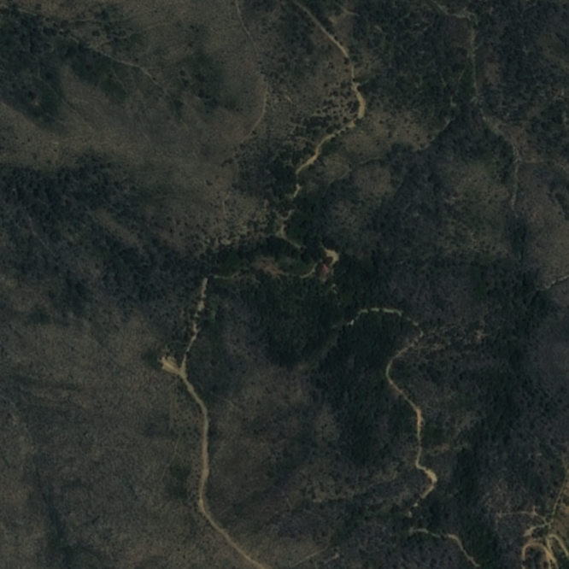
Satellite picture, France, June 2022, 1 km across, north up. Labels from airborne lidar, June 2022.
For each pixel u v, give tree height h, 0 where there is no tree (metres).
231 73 0
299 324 6
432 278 19
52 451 0
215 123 0
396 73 11
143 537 0
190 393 9
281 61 12
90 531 0
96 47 0
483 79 0
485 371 13
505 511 8
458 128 10
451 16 9
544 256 0
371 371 14
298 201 16
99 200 11
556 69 12
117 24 0
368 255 14
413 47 14
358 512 14
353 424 11
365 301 9
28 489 0
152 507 0
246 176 11
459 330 11
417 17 11
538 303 22
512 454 11
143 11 0
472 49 0
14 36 14
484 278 14
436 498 20
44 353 0
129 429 0
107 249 8
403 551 9
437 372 15
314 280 8
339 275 12
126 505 0
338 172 0
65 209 13
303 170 0
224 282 0
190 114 0
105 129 0
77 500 0
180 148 0
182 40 0
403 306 13
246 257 14
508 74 10
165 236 0
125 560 0
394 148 11
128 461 0
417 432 7
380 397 8
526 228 8
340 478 10
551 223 0
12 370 0
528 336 12
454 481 6
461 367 11
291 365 14
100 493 0
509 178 19
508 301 14
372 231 9
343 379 13
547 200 0
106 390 0
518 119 11
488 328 11
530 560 9
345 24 0
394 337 10
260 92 0
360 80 12
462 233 10
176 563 0
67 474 0
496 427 15
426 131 0
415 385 15
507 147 11
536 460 15
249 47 0
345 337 12
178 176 0
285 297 6
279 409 9
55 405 0
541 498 7
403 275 12
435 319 6
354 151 0
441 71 17
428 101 15
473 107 14
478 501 12
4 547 0
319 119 9
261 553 0
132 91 0
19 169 12
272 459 11
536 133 10
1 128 0
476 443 13
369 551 12
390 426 8
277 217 12
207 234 8
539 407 11
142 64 0
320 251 12
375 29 13
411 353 9
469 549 10
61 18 0
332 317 12
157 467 0
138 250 9
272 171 16
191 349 8
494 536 12
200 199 0
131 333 0
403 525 5
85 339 0
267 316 7
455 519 8
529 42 8
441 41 12
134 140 0
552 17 17
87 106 0
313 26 8
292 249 12
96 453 0
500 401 25
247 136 0
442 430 13
